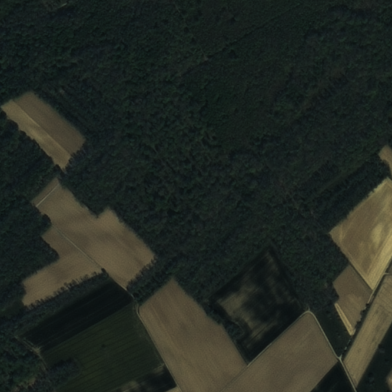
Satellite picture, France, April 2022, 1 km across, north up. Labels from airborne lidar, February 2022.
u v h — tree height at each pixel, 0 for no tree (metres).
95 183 33
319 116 26
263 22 16
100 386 0
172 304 0
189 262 34
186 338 0
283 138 28
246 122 17
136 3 22
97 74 34
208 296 0
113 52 30
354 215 0
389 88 31
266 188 38
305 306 0
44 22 27
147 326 0
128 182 34
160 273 0
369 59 34
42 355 0
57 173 15
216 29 16
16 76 28
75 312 0
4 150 37
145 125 37
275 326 0
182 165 31
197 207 32
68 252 0
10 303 27
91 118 30
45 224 25
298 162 33
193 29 18
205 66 17
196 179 31
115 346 0
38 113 0
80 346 0
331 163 23
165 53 29
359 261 0
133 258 0
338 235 0
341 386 0
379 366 0
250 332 0
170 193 31
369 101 31
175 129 33
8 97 28
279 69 18
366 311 8
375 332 0
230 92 16
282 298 0
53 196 0
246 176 29
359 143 39
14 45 23
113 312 0
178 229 20
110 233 0
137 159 33
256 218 36
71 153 0
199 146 30
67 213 0
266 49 21
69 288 21
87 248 0
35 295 0
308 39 23
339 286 0
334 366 0
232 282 0
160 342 0
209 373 0
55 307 25
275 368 0
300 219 34
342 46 36
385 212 0
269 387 0
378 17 29
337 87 32
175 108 32
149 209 29
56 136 0
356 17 35
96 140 25
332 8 20
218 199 35
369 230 0
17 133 32
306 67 23
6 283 30
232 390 0
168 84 28
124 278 0
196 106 33
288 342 0
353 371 0
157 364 0
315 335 0
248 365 0
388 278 0
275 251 0
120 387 0
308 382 0
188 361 0
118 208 25
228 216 35
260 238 24
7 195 26
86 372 0
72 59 30
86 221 0
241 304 0
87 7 19
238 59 15
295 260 31
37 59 28
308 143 36
